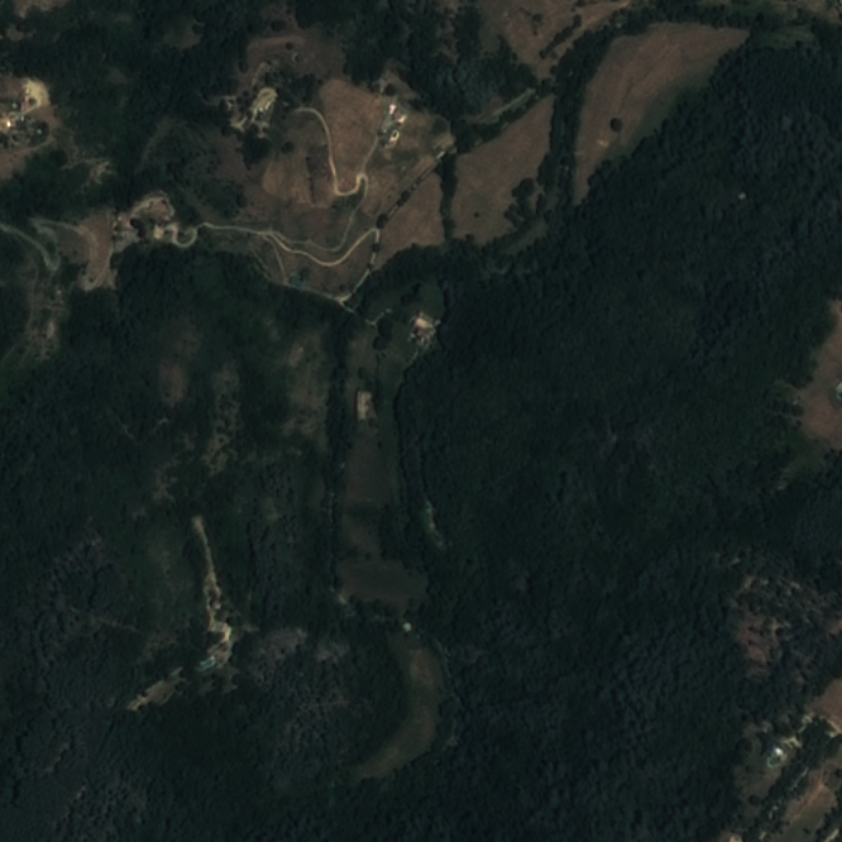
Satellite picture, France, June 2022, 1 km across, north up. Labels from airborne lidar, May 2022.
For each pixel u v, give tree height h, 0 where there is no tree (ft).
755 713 62
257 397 39
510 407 42
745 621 47
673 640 88
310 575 35
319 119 0
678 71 0
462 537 46
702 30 0
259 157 40
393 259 39
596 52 51
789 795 52
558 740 43
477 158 0
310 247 0
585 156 0
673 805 41
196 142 0
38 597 30
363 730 54
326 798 60
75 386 36
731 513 75
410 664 0
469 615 40
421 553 23
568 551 40
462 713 48
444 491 34
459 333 41
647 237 45
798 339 50
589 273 55
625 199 36
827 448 0
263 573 62
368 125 0
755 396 43
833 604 57
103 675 84
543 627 38
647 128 0
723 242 36
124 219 0
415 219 0
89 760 58
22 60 27
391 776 31
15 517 35
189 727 46
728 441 50
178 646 29
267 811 61
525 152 0
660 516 64
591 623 58
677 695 73
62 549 19
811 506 82
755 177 38
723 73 25
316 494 0
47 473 27
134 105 18
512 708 72
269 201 0
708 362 38
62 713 56
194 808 100
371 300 33
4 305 28
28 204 35
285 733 58
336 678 42
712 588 79
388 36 41
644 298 30
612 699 30
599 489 41
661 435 54
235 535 31
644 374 33
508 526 46
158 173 36
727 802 54
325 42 0
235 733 30
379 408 37
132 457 39
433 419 31
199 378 29
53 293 21
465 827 62
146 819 46
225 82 24
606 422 28
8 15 21
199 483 31
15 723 41
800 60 105
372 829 70
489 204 0
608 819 55
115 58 24
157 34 33
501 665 56
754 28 22
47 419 41
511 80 34
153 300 20
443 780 59
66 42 23
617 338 38
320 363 0
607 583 97
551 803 70
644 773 46
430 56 27
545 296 28
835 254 74
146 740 77
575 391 47
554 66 35
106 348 23
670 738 49
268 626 53
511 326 37
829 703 0
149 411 36
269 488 44
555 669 81
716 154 37
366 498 0
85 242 0
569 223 47
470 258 78
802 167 39
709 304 26
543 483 47
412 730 0
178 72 30
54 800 79
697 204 32
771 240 30
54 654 56
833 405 0
